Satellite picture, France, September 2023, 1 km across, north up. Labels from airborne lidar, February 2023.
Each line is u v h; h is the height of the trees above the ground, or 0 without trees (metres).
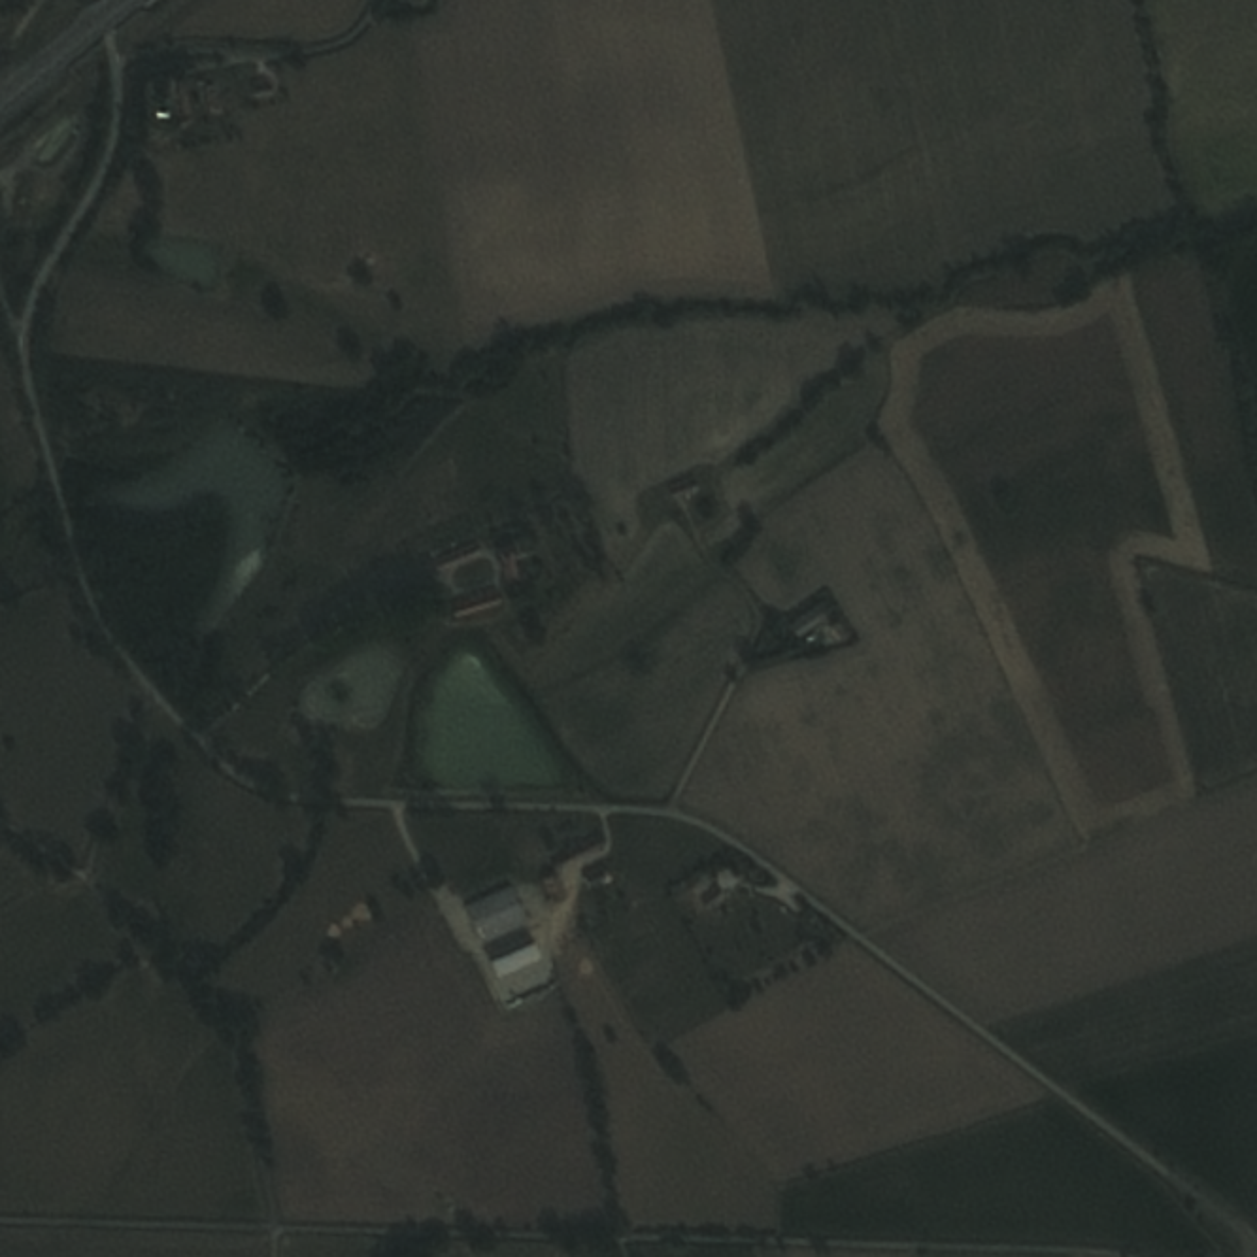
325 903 0
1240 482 0
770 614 7
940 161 0
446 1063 0
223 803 0
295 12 0
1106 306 0
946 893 0
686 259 0
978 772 0
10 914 0
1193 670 0
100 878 0
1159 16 0
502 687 0
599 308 0
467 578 0
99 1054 0
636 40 0
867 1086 0
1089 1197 0
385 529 0
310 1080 0
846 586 0
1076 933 0
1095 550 0
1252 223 22
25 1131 0
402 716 0
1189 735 0
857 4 0
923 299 10
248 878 0
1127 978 0
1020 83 0
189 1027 0
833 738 0
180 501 0
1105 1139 0
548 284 0
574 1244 11
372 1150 0
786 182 0
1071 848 0
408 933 0
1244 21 0
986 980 0
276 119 0
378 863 0
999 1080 0
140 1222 0
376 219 0
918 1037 0
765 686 0
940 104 0
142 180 17
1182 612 0
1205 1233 0
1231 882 0
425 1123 0
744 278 0
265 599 0
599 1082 15
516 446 0
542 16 0
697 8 0
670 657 0
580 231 0
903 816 0
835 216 0
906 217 0
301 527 0
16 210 0
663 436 0
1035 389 0
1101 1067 0
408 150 0
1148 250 20
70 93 0
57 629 0
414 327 0
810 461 0
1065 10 0
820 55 0
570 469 0
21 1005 0
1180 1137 0
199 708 0
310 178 0
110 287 0
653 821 0
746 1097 0
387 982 0
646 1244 0
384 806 0
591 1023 0
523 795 0
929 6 0
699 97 0
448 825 0
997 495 12
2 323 12
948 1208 0
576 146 0
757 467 0
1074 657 0
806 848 0
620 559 0
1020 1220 0
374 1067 0
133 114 8
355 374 0
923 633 0
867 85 0
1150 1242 0
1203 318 0
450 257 0
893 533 0
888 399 0
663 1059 12
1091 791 0
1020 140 0
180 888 0
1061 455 0
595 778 0
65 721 0
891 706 0
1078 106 0
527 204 0
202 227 0
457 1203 0
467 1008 0
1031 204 0
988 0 0
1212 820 0
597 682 0
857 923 0
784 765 0
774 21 0
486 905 0
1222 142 0
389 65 0
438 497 0
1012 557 0
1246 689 0
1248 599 0
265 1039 0
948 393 0
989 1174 0
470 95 0
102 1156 0
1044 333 0
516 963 0
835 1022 0
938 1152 0
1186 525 0
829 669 0
